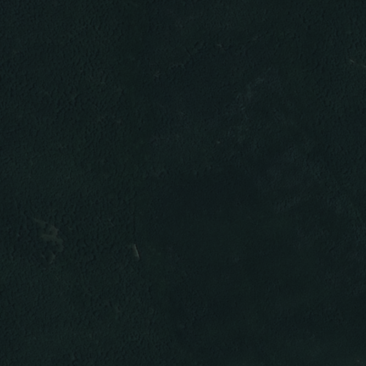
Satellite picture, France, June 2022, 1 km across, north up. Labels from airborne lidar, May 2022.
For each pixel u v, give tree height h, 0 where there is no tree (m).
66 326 16
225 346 16
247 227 12
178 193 20
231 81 22
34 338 13
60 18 17
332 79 24
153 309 18
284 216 14
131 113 20
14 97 23
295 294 14
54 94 24
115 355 25
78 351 21
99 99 29
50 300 14
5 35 20
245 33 16
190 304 7
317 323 19
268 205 18
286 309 9
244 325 10
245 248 14
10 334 18
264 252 16
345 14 26
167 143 14
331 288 17
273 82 20
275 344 12
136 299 13
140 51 21
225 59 25
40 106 18
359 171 16
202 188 20
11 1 22
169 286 21
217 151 14
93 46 22
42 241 23
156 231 15
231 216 12
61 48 22
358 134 28
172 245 14
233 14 12
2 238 19
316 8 21
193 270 16
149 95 19
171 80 22
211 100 25
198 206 19
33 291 12
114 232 24
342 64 20
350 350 9
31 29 11
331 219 17
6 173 7
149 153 12
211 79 26
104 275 16
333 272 19
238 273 14
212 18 13
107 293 26
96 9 23
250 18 12
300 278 16
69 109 8
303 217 18
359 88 18
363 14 29
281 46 20
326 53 25
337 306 14
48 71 16
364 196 17
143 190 24
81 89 29
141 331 16
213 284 10
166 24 21
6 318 18
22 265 16
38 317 18
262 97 21
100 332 13
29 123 17
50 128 16
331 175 19
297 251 13
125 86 21
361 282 16
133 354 17
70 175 13
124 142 17
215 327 11
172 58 24
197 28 13
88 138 27
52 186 14
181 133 17
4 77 22
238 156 17
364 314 18
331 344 8
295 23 17
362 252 19
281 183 21
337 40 23
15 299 17
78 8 19
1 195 22
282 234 12
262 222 10
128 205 26
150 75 19
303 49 26
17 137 24
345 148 24
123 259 21
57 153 13
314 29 26
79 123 23
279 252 14
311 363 13
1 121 19
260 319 16
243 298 14
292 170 23
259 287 16
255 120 22
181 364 17
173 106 24
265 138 23
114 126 27
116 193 20
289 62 26
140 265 26
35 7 20
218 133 13
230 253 9
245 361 9
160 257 20
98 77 28
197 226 11
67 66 20
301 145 23
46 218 25
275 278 16
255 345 15
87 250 30
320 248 16
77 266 20
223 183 21
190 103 25
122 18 23
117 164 22
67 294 12
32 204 25
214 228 11
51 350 12
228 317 15
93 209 22
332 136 27
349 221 19
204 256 12
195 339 19
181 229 11
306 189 17
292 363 11
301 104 22
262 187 21
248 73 15
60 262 18
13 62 24
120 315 17
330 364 8
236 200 17
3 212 18
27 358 13
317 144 16
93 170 15
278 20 16
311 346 10
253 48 21
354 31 22
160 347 20
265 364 11
